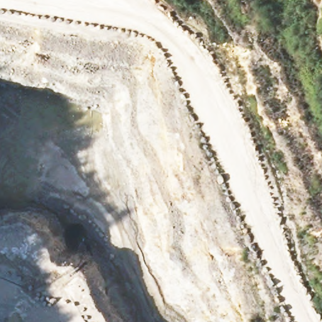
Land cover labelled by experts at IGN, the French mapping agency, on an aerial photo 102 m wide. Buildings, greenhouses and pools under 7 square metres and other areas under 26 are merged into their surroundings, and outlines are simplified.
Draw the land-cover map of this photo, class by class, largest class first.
<instances>
[{"label":"pervious surface","instance_id":"1","mask_svg":"<svg viewBox=\"0 0 322 322\"><path fill-rule=\"evenodd\" d=\"M213 9L216 18L223 23L229 36L233 38V42L219 44L211 42L204 20L199 15L191 14L190 11L176 14L166 0H0V322H322V155L316 148V143L312 141L314 133L318 132L316 122L312 119L306 125L303 121V109L298 111L296 97L288 91L282 68L259 47L257 28L254 25H247L239 35L234 33L231 25L221 15L220 5L216 4L219 0H205ZM250 94L257 99L258 114L263 118V126L270 128L275 147L284 155L288 175L278 171L277 162L272 161L268 164L267 160L259 161L258 152L263 150V145L254 146L247 122L241 116L250 108Z\"/></svg>","mask_w":322,"mask_h":322},{"label":"herbaceous vegetation","instance_id":"2","mask_svg":"<svg viewBox=\"0 0 322 322\"><path fill-rule=\"evenodd\" d=\"M176 14L190 11L191 14L199 15L204 20L211 42L219 44L233 42V38L229 36L223 23L216 18L213 9L205 0H166ZM216 4L220 5L221 15L231 25L234 33L239 35L247 25H254L257 28L259 47L282 68L288 91L296 97L298 111L303 109V121L306 125L312 119L316 122L318 132L314 133L312 141L316 143V148L322 155V118L313 116L306 101L301 79H298L299 69L294 64L292 55L288 53L286 45L278 43L279 33L287 29L286 23L282 21L279 25L272 26L268 23L265 6L258 8L253 1L250 5L240 6L238 0H219ZM250 108L241 116L247 122L254 146L263 145V150L258 152L259 161L267 160L268 164L272 161L277 162L278 171L288 175L284 155L275 147L270 128L263 126V118L258 114L257 99L250 94Z\"/></svg>","mask_w":322,"mask_h":322},{"label":"deciduous trees","instance_id":"3","mask_svg":"<svg viewBox=\"0 0 322 322\"><path fill-rule=\"evenodd\" d=\"M240 6L250 5L253 1L258 8L265 6L268 23L272 26L279 25L282 21L286 23L287 29L279 33L278 43L286 45L288 53L292 55L294 64L299 69L298 79H301L306 101L313 116L322 118V0H238Z\"/></svg>","mask_w":322,"mask_h":322}]
</instances>
